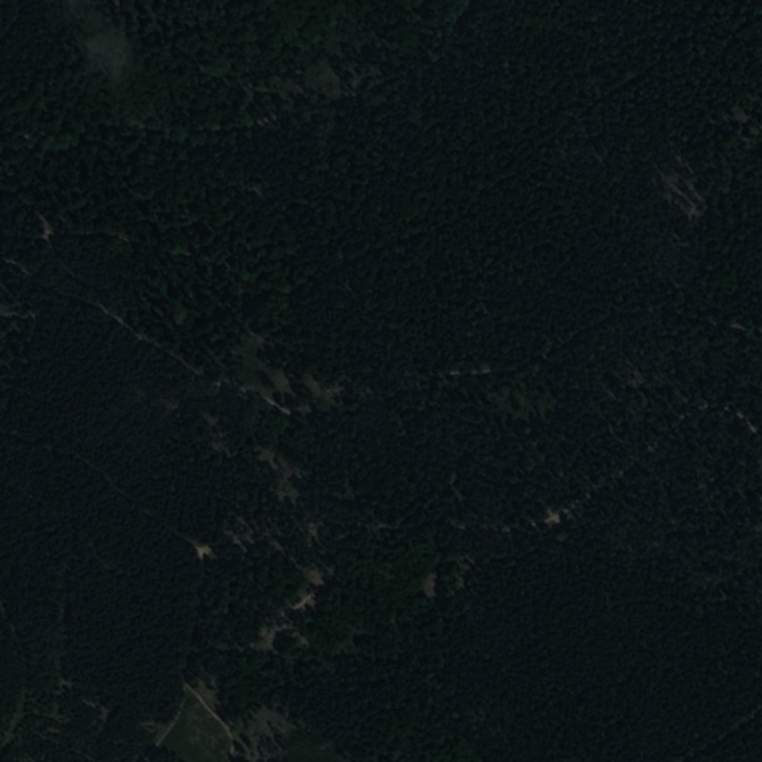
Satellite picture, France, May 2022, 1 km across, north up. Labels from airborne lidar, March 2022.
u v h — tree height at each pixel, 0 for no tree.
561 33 31
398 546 28
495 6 29
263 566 27
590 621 24
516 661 23
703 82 27
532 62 28
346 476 22
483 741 29
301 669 21
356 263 28
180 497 23
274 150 32
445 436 32
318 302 30
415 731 28
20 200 23
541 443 32
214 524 26
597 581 27
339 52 20
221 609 28
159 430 27
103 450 26
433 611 28
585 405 30
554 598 25
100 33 25
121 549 26
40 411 26
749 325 20
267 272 27
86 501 23
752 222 31
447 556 23
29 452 20
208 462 21
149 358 22
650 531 27
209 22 31
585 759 25
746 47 29
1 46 24
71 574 19
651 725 25
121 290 22
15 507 22
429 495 29
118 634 22
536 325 30
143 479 26
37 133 32
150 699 22
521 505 34
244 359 0
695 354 31
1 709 13
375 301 31
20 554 26
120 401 27
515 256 35
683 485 31
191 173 29
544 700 22
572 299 33
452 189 30
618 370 28
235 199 29
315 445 26
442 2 39
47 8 28
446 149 27
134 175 32
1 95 24
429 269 29
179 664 24
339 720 37
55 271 25
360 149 26
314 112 22
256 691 20
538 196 33
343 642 25
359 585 27
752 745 17
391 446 27
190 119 27
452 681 22
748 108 13
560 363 31
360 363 29
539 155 24
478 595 26
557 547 25
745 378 30
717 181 26
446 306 25
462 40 25
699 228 21
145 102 27
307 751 0
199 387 24
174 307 6
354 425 22
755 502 39
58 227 27
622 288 31
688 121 30
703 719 23
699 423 31
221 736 0
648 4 30
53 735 8
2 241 31
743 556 30
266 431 25
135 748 6
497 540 32
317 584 0
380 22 26
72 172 35
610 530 25
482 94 30
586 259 31
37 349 26
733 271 29
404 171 31
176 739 0
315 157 24
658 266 30
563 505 27
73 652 21
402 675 24
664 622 25
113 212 13
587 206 32
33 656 19
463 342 32
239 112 26
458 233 24
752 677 20
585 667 26
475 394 9
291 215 30
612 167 29
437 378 25
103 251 11
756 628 27
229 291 28
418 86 24
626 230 33
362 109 28
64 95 24
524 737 23
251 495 24
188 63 34
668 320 28
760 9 28
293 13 30
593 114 27
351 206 29
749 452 7
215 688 20
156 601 25
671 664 26
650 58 32
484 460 23
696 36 29
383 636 25
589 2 29
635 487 34
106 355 25
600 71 30
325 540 29
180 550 25
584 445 32
